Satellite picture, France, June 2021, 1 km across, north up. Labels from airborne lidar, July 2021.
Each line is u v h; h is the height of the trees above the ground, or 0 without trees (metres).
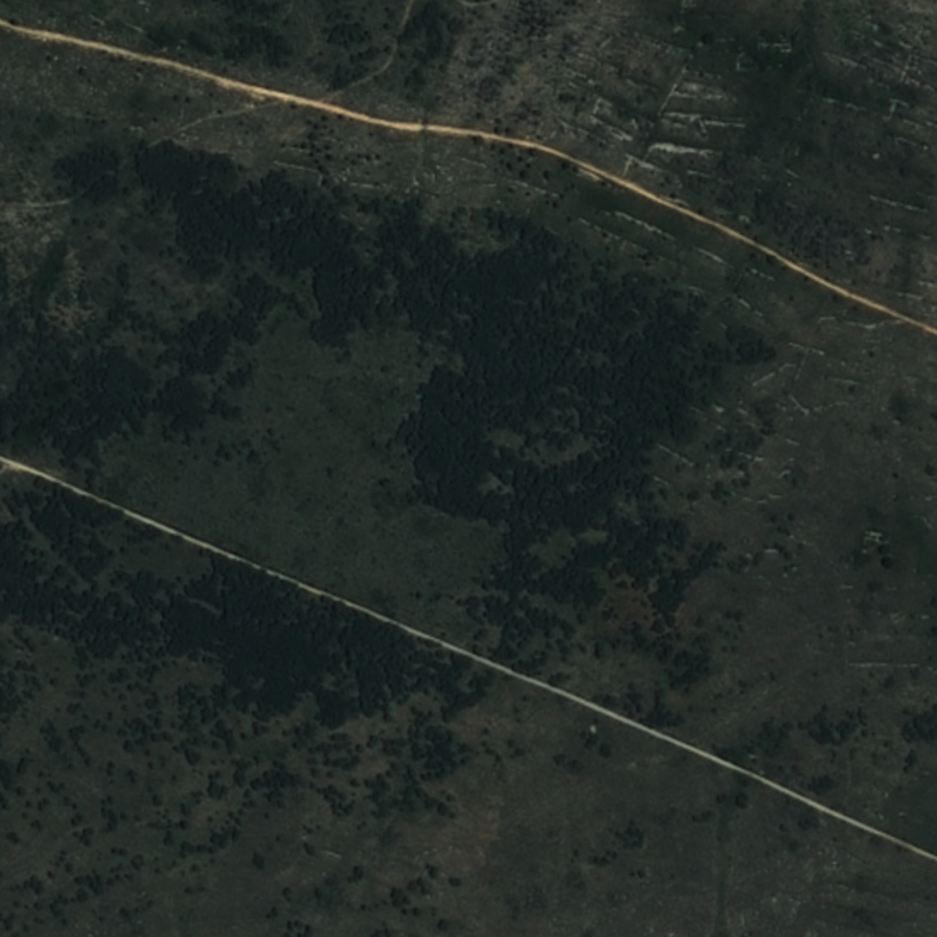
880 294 0
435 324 9
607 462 12
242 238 11
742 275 0
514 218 10
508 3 0
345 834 0
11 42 0
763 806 0
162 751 0
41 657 0
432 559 0
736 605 0
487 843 0
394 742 8
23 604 9
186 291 0
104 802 8
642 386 9
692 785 0
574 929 0
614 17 0
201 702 10
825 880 0
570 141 0
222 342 9
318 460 0
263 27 5
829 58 0
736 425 0
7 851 0
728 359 6
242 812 6
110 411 11
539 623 10
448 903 0
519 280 12
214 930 0
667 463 0
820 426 0
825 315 0
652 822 0
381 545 0
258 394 0
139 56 0
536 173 0
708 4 0
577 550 8
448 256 9
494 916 0
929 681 0
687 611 0
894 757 0
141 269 0
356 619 11
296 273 10
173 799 0
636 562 8
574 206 0
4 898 0
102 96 0
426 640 9
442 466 12
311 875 0
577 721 0
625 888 0
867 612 0
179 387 12
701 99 0
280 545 0
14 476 0
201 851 8
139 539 6
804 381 0
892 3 0
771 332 0
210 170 9
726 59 0
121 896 0
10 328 8
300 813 0
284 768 9
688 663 7
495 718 0
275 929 0
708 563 8
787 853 0
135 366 8
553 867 0
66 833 0
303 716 0
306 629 11
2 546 14
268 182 9
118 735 6
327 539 0
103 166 6
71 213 0
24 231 0
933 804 0
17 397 7
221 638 11
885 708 0
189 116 0
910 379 0
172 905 0
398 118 0
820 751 0
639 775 0
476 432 12
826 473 0
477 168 0
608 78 0
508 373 9
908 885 0
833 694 0
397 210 6
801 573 0
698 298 7
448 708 7
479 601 7
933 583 0
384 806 0
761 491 0
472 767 0
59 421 6
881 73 6
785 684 0
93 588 10
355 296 10
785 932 0
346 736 8
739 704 0
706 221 0
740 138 0
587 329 6
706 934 0
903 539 0
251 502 0
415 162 0
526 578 9
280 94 0
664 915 0
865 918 0
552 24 9
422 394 9
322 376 0
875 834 0
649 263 8
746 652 0
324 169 10
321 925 0
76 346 7
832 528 0
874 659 0
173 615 11
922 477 0
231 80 0
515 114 6
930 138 0
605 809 0
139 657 9
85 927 0
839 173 0
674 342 8
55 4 0
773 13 0
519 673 6
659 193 0
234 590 11
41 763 0
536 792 0
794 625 0
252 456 8
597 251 0
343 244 8
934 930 0
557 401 10
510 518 10
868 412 0
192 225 8
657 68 0
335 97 0
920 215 0
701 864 0
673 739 0
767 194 7
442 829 0
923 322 0
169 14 0
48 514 9
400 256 9
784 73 0
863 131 0
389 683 9
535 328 8
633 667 0
